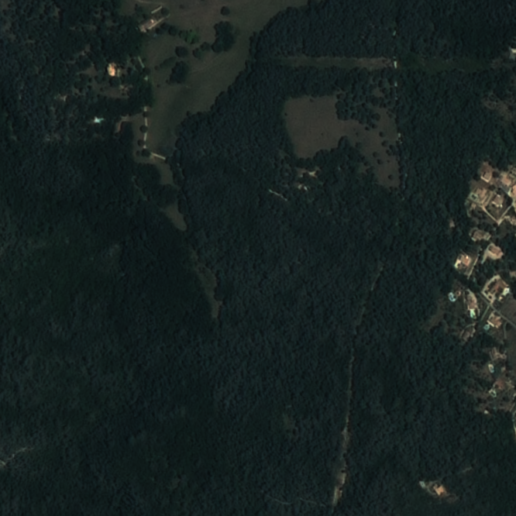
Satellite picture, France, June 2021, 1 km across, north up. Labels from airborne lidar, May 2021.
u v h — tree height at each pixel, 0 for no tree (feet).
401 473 45
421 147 45
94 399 32
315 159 37
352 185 67
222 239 46
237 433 41
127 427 63
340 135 0
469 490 49
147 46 0
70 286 54
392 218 61
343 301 55
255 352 79
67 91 47
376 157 25
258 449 48
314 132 0
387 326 42
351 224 42
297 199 30
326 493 37
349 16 48
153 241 91
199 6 0
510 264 27
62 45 56
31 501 56
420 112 67
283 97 46
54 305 41
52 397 30
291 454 55
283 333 52
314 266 53
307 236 57
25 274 45
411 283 40
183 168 47
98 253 37
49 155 46
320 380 34
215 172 70
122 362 39
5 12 47
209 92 0
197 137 57
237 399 60
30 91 47
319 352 44
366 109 43
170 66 0
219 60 0
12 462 57
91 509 56
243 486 22
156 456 31
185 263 40
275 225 52
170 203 45
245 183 64
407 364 60
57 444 78
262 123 62
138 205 52
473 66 0
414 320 52
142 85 56
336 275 56
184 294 47
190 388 58
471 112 58
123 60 55
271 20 35
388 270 50
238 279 66
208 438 38
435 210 27
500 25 48
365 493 65
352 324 66
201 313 62
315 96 39
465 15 59
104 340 45
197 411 44
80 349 54
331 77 52
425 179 32
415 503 26
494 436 35
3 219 26
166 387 46
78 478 59
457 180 44
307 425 67
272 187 41
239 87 44
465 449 21
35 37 46
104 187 65
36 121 38
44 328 42
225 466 43
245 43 0
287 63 0
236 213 52
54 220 55
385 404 47
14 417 42
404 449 58
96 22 82
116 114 53
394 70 57
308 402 26
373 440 67
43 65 31
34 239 56
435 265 60
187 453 49
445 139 46
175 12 0
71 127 42
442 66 0
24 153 44
